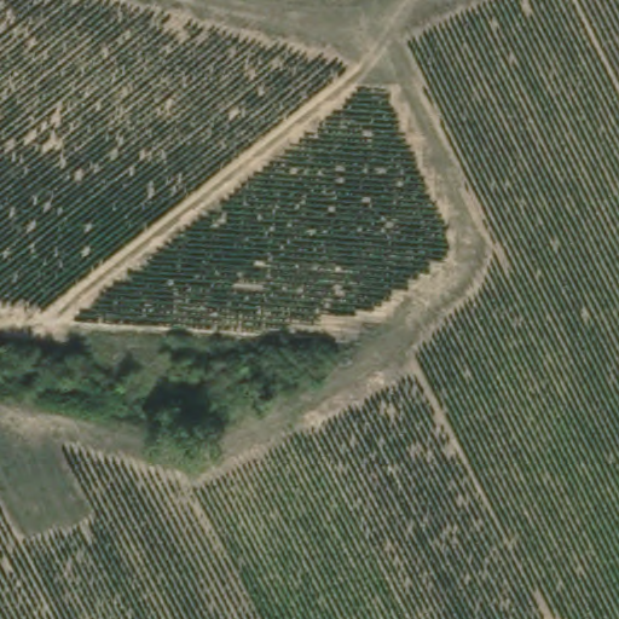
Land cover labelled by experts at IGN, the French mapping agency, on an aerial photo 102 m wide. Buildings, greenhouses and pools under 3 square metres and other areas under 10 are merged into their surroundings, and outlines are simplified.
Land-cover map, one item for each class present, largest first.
<instances>
[{"label":"vineyard","instance_id":"1","mask_svg":"<svg viewBox=\"0 0 619 619\"><path fill-rule=\"evenodd\" d=\"M152 12H135L121 2L109 0H0V302H24L39 310L53 305L92 268L114 256L128 242H133L143 230L157 222L162 215H167L172 208H177L186 196L198 191L210 177H215L244 150H249L268 131H273L283 118L295 114L314 94H319L334 77L343 75L346 68L336 60L307 58L285 46L266 48L256 41L227 36L218 29L196 27L189 22L186 41H179L172 31L155 29L150 24ZM409 48L416 56V63L426 80V97L440 111L442 128L459 157L467 186L474 191L481 206L486 227L491 230L493 239L503 247L510 261V273H503L498 259H493L481 293L474 300H469L459 312H455L445 322V326L433 336V341L418 351L421 372L416 377H401L397 387H384L375 392L360 409H348L346 413L326 421L322 428L297 433L268 455L249 459L242 467L227 472L225 476L193 488V496L198 498L203 513L213 525L206 532L198 525L191 508L177 505V496L181 488L177 481L167 484L160 474H135L126 464L99 462L89 455L73 452L60 442V433L24 435L5 426L0 428V619H619V0H491L476 7L474 12H464L462 17L426 31L421 39L409 41ZM467 271V264H459L457 256L447 249L445 220L430 201L426 181L416 169V157L399 131L397 114L389 104V94L360 87L355 94H351V99H346L341 109L331 111L317 131L305 133L290 150L276 155L264 169L244 179L227 198H222L210 210L198 215L191 225L179 230L164 247H160L147 259L145 266L128 271L123 280H116L114 285L102 290L99 297L75 317L70 331H172L174 336H184L189 331L193 336L222 334L235 339H256L264 334L290 329L326 331L339 343L351 339L360 331L363 322L387 319L404 300L418 302L428 310L440 300V295H445L450 288L459 283V278Z\"/></svg>","mask_w":619,"mask_h":619},{"label":"herbaceous vegetation","instance_id":"2","mask_svg":"<svg viewBox=\"0 0 619 619\"><path fill-rule=\"evenodd\" d=\"M121 2L135 12H152L150 24L155 29L172 31L179 41H186L189 22L196 27L218 29L227 36L256 41L266 48L285 46L307 58L336 60L346 68L351 63H358V68L368 73L360 87L389 94V104L397 114L399 131L416 157V169L426 181L430 201L445 220L447 249L457 256L459 264H467V271L459 278V283L450 288L445 295H440V300L428 310L418 302L404 300L387 319L363 322L360 331L351 339L360 355L355 360L336 363L329 370V377L322 384V389L273 397L268 401V413L259 418L244 406L235 409L230 413V426L222 435V459L198 476H189L181 469H169L140 459L145 430L138 426L111 421L89 423L60 413H29L17 406L0 404V428L5 426L24 435L60 433V442L73 452L89 455L99 462L126 464L135 474H160L167 484L177 481L181 488L177 496V505L191 508L198 525L206 532L213 525L203 513L198 498L193 496V488L225 476L227 472L242 467L249 459L268 455L297 433L322 428L326 421L346 413L348 409H360L375 392L384 387H397L401 377H416L421 372L418 351L433 341V336L445 326V322L455 312H459L469 300H474L481 293L493 259H498L503 273H510V261L503 247L493 239L491 230L486 227L481 206L474 191L467 186L459 157L442 128L440 111L426 97V80L416 63V56L409 48V41L421 39L426 31L462 17L464 12H474L476 7L491 0H109Z\"/></svg>","mask_w":619,"mask_h":619},{"label":"coniferous trees","instance_id":"3","mask_svg":"<svg viewBox=\"0 0 619 619\"><path fill-rule=\"evenodd\" d=\"M360 355L351 339L339 343L326 331L290 329L264 334L256 339H235L222 334L193 336L189 331L184 336H174L172 331H70L63 341H56L53 336H39L24 326L0 329V404L17 406L29 413H60L89 423L111 421L138 426L145 430L140 459L169 469H181L189 476H198L222 459V435L230 426V413L235 409L244 406L259 418L268 413V401L273 397L322 389V384L329 377V370L336 363L355 360Z\"/></svg>","mask_w":619,"mask_h":619},{"label":"pervious surface","instance_id":"4","mask_svg":"<svg viewBox=\"0 0 619 619\"><path fill-rule=\"evenodd\" d=\"M368 73L358 68V63H351L346 68L343 75L334 77L319 94H314L295 114L283 118L273 131H268L249 150H244L215 177H210L198 191L186 196L177 208H172L167 215H162L157 222L143 230L133 242H128L114 256L92 268L53 305L39 310L24 302H0V329L24 326L39 336H53L56 341H63L70 331L75 317L99 297L102 290L114 285L116 280H123L128 271L145 266L147 259L160 247H164L179 230L191 225L198 215L210 210L222 198H227L244 179L264 169L276 155L290 150L305 133L317 131L331 111L341 109L346 99H351V94H355L360 87Z\"/></svg>","mask_w":619,"mask_h":619}]
</instances>
